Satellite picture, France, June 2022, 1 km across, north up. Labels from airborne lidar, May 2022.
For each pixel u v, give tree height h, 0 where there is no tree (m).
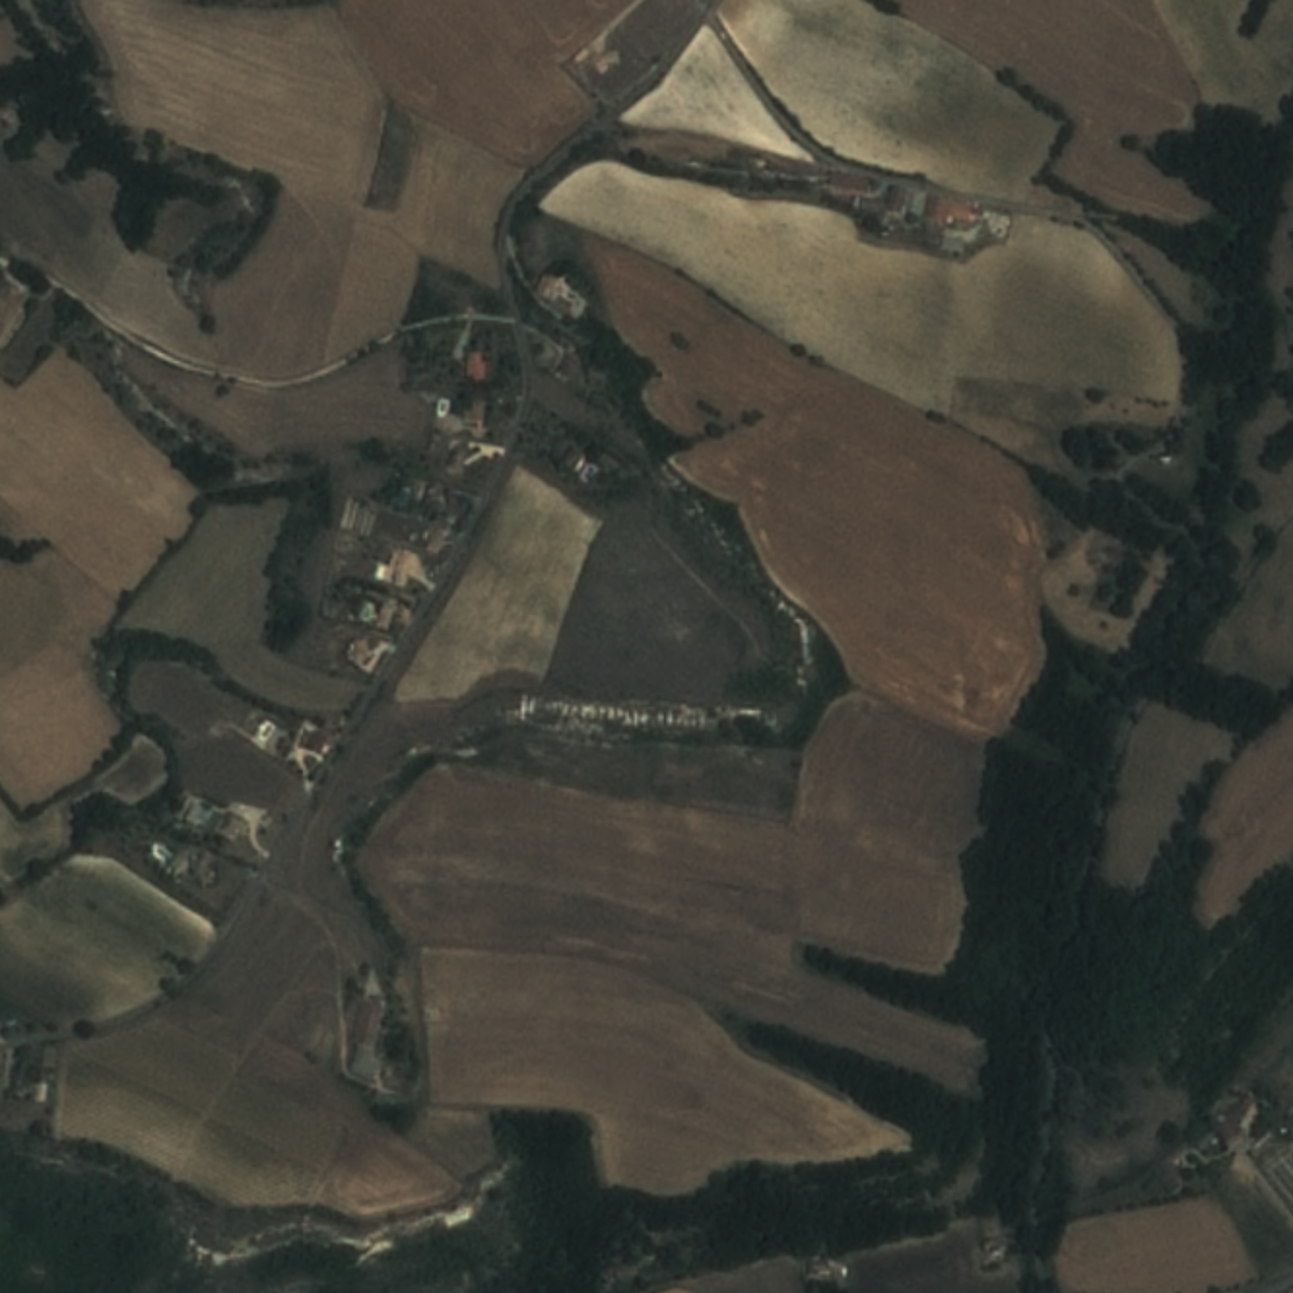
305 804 0
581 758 0
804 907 0
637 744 0
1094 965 16
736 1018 7
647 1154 0
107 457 0
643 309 0
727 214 0
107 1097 0
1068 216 0
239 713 0
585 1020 0
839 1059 16
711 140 0
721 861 0
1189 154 20
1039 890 14
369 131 0
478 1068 0
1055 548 7
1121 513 21
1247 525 0
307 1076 0
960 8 0
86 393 0
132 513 0
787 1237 14
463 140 0
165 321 0
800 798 0
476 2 0
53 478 0
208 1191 0
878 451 0
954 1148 12
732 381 0
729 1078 0
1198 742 0
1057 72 0
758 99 0
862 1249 15
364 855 0
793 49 0
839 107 0
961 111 0
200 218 0
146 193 15
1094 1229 0
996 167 0
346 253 0
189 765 0
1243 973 12
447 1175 0
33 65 16
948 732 0
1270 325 19
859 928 0
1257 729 14
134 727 9
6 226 0
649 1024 0
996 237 0
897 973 12
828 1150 0
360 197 0
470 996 0
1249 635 0
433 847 0
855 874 0
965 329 0
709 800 0
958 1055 0
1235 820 0
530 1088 0
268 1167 0
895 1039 0
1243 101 0
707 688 0
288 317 0
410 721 0
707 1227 9
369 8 0
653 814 0
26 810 7
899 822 0
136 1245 9
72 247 0
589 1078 0
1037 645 0
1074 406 0
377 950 0
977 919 15
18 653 0
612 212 0
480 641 0
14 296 0
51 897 0
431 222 0
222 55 0
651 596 0
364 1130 0
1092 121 0
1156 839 0
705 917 0
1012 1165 18
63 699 0
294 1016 0
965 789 0
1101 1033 16
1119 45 0
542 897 0
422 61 0
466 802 0
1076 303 0
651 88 0
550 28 0
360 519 0
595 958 0
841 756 0
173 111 0
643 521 0
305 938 0
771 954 0
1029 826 17
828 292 0
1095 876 15
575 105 0
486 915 0
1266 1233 0
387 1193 0
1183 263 12
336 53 0
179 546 12
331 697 0
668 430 8
